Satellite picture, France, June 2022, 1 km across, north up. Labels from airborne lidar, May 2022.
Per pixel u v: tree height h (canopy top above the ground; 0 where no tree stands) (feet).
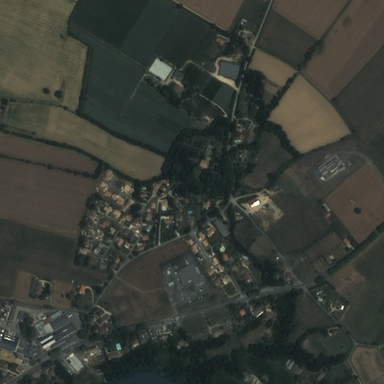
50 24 0
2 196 0
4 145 0
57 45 0
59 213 0
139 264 0
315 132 0
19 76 0
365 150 0
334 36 0
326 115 0
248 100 20
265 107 51
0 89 0
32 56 0
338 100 0
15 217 0
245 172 30
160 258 0
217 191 25
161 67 0
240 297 0
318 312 0
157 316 0
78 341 0
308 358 50
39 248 0
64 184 0
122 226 0
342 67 0
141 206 36
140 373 0
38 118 0
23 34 0
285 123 0
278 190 0
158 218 30
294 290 49
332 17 0
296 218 0
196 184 105
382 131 0
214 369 93
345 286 0
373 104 0
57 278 0
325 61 0
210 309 0
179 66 36
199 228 28
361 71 0
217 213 47
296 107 0
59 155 0
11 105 0
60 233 0
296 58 0
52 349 0
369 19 0
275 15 0
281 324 29
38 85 0
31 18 0
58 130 0
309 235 0
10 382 0
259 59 0
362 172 0
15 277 0
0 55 0
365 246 73
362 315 0
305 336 39
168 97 55
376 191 0
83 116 30
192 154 59
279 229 0
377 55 0
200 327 0
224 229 0
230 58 0
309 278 0
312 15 0
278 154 0
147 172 0
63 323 0
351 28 0
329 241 0
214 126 18
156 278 0
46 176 0
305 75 0
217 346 60
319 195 0
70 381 49
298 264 0
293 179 0
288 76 0
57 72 0
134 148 0
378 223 0
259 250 0
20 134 28
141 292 0
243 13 0
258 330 0
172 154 40
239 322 23
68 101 0
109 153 0
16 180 0
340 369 0
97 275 0
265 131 74
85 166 0
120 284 0
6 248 0
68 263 0
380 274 0
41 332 0
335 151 0
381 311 0
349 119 0
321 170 0
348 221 0
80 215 0
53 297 0
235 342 0
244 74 40
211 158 24
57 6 0
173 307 0
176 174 77
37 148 0
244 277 0
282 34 0
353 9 0
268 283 57
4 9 0
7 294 0
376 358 0
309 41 0
